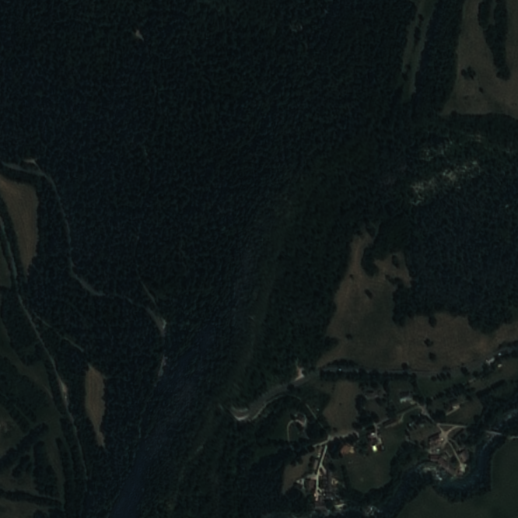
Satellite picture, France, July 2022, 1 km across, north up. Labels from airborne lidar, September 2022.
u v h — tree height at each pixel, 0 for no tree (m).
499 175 9
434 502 0
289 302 22
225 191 29
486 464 19
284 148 9
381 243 9
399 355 0
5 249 17
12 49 26
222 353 14
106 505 18
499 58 13
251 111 13
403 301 8
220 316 14
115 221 29
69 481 15
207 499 23
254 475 22
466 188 7
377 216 30
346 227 26
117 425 33
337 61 17
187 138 19
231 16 23
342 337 0
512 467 0
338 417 0
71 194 28
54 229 13
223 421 8
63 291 7
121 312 25
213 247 21
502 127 7
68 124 10
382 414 0
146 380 12
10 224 13
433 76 9
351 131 26
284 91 28
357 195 9
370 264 10
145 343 36
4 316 15
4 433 0
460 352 0
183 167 18
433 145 15
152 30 21
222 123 6
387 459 0
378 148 31
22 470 13
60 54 21
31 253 0
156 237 20
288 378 8
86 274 6
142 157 16
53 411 0
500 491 0
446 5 13
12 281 14
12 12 15
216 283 26
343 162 29
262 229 12
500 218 12
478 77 0
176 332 10
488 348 0
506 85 0
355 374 18
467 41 0
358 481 0
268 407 11
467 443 15
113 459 28
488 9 8
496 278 26
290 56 12
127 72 27
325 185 26
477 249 19
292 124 20
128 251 30
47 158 21
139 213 21
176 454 9
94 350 6
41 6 15
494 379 0
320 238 18
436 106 6
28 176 10
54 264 18
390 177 26
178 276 12
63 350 14
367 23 20
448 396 15
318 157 20
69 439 19
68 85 17
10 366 8
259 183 22
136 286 14
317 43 22
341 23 24
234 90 9
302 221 21
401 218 16
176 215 29
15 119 12
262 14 16
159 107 9
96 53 25
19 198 0
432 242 24
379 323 0
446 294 27
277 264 7
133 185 19
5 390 6
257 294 6
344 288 0
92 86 19
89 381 0
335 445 17
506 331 0
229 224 21
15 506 0
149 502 19
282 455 24
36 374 0
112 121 12
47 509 0
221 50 19
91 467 6
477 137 6
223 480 15
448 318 0
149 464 13
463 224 18
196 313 18
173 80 25
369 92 24
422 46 0
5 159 26
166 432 6
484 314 20
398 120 32
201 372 7
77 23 19
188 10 25
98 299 20
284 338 30
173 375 9
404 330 0
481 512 0
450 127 10
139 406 30
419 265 25
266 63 32
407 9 23
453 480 0
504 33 14
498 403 16
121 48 25
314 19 23
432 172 8
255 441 21
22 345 10
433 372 0
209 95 8
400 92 19
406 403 0
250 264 6
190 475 16
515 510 0
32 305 21
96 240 19
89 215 15
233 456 15
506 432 15
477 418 10
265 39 20
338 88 16
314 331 10
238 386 7
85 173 21
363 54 16
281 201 7
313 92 14
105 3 20
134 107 34
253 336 7
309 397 7
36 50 34
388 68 12
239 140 22
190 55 27
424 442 7
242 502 19
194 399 11
